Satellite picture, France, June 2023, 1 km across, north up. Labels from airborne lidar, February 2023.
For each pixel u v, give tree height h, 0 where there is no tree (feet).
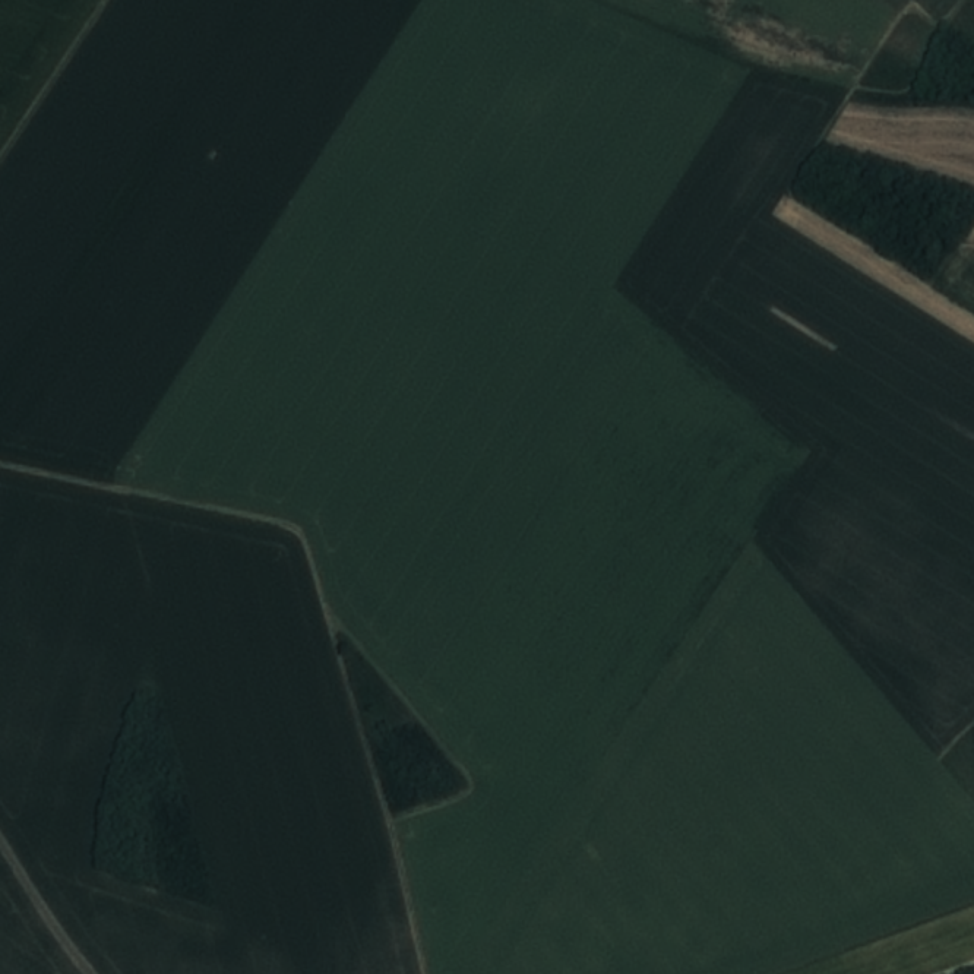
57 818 0
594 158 0
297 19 0
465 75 0
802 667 0
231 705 0
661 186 0
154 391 0
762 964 0
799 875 0
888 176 67
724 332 0
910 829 0
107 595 0
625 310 0
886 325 0
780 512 0
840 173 52
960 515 0
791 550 0
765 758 0
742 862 0
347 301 0
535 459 0
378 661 0
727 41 0
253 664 0
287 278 0
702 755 0
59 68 0
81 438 0
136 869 49
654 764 0
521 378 0
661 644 0
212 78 0
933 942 0
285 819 0
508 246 0
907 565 0
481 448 0
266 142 0
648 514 0
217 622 0
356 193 0
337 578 0
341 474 0
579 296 0
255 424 0
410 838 0
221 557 0
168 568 0
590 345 0
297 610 0
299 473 0
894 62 0
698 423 0
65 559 0
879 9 0
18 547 0
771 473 0
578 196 0
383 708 0
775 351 0
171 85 0
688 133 0
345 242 0
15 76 0
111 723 0
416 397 0
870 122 0
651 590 0
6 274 0
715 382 0
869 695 0
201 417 0
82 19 0
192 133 0
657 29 0
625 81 0
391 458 0
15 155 0
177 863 24
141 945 0
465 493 0
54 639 0
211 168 0
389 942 0
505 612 0
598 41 0
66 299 0
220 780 0
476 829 0
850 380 0
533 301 0
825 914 0
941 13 0
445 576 0
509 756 0
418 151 0
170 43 0
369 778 0
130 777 43
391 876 0
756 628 0
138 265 0
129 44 0
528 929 0
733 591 0
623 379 0
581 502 0
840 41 0
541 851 0
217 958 0
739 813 0
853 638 0
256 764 0
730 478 0
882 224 44
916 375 0
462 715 0
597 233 0
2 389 0
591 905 0
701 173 0
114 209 0
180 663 0
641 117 0
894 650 0
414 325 0
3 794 0
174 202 0
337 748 0
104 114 0
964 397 0
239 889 0
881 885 0
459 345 0
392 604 0
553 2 0
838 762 0
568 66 0
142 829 67
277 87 0
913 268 37
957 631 0
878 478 0
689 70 0
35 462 0
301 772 0
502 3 0
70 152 0
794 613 0
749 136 0
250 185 0
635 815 0
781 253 0
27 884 0
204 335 0
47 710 0
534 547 0
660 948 0
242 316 0
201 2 0
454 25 0
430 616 0
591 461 0
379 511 0
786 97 0
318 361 0
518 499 0
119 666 0
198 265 0
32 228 0
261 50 0
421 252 0
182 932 0
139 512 0
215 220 0
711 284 0
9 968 0
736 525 0
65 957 0
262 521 0
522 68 0
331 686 0
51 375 0
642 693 0
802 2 0
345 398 0
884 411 0
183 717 0
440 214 0
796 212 0
